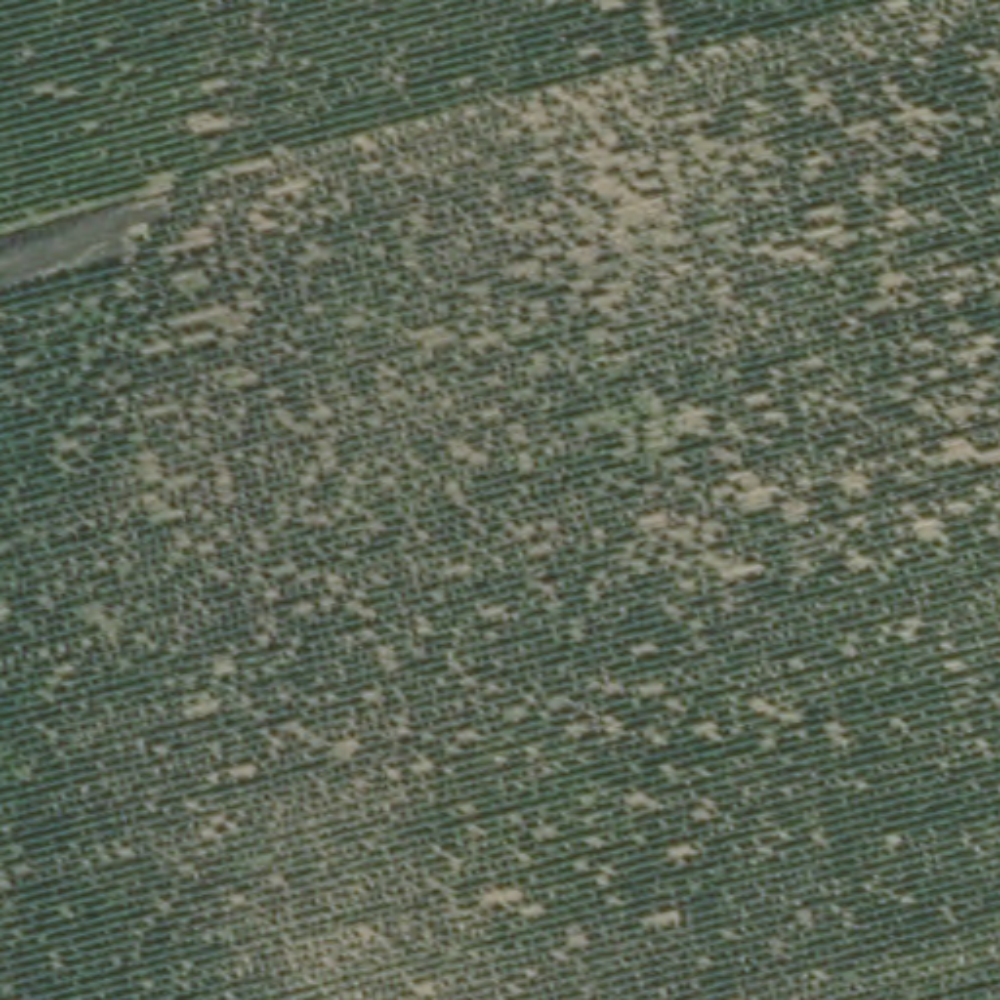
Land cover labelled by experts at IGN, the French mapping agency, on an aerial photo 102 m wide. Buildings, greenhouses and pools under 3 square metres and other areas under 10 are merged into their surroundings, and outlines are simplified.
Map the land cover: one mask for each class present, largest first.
<instances>
[{"label":"vineyard","instance_id":"1","mask_svg":"<svg viewBox=\"0 0 1000 1000\"><path fill-rule=\"evenodd\" d=\"M141 188L172 195L168 211L148 223V234L137 242L133 258H98L78 270L0 289V1000H1000V0H0V234L39 227L47 219H63L74 211H90L98 207V195H125Z\"/></svg>","mask_w":1000,"mask_h":1000},{"label":"herbaceous vegetation","instance_id":"2","mask_svg":"<svg viewBox=\"0 0 1000 1000\"><path fill-rule=\"evenodd\" d=\"M172 195L141 188L125 195H98V207L90 211H74L63 219H47L39 227L0 234V289L78 270L98 258H133L137 242L148 234V223L168 211Z\"/></svg>","mask_w":1000,"mask_h":1000}]
</instances>
